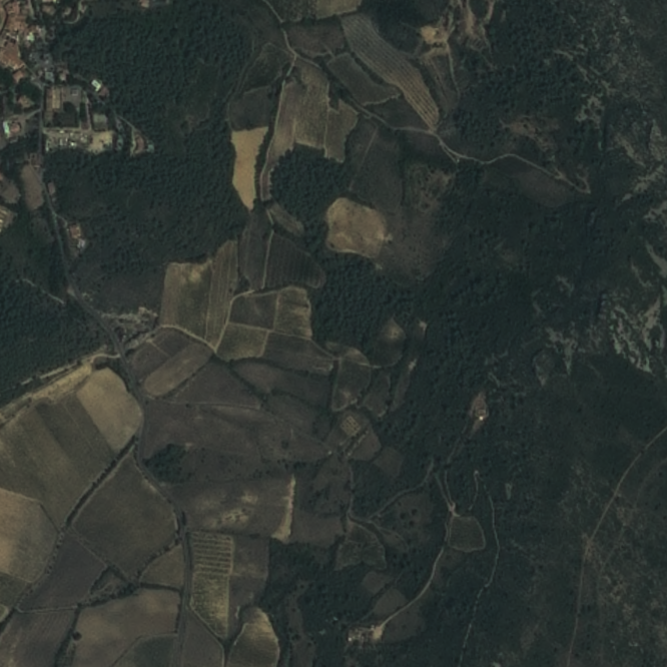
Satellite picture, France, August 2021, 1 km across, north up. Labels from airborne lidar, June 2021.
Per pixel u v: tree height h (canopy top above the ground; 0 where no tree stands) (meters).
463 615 9
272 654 0
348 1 0
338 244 0
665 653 0
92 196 0
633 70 0
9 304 11
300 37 0
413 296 9
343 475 0
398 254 0
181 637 0
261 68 0
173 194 9
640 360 0
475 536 0
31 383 7
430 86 8
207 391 0
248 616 0
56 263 10
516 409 11
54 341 10
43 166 7
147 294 0
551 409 0
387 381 0
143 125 9
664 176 0
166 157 8
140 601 0
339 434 0
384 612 0
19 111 8
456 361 6
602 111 8
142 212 0
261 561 0
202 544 0
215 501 0
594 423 0
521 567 0
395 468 0
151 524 0
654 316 0
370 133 0
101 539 0
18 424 0
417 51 0
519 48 11
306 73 0
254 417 0
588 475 0
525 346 0
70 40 15
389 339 0
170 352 0
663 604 0
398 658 8
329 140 0
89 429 0
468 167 5
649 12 0
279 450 0
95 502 0
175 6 7
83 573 0
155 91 11
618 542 0
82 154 7
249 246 0
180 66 8
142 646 0
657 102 0
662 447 0
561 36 10
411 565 10
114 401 0
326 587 8
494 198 6
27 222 5
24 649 0
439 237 0
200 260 15
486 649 0
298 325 0
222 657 0
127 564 0
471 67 9
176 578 0
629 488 0
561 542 0
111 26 11
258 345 0
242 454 0
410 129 0
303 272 0
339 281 7
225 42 9
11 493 0
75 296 0
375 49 0
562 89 13
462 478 9
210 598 0
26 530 0
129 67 11
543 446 0
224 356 0
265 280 0
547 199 0
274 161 0
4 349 6
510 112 9
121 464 0
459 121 13
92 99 11
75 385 0
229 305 0
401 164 7
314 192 6
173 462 7
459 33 7
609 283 0
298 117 0
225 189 8
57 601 0
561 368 0
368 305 7
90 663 0
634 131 0
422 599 0
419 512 7
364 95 0
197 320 0
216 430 0
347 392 0
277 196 10
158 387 0
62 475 0
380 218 0
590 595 0
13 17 0
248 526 0
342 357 0
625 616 0
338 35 0
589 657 0
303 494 0
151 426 0
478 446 8
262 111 0
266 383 0
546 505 0
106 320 0
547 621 0
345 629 10
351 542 0
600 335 0
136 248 7
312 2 0
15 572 0
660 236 0
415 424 9
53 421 0
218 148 10
